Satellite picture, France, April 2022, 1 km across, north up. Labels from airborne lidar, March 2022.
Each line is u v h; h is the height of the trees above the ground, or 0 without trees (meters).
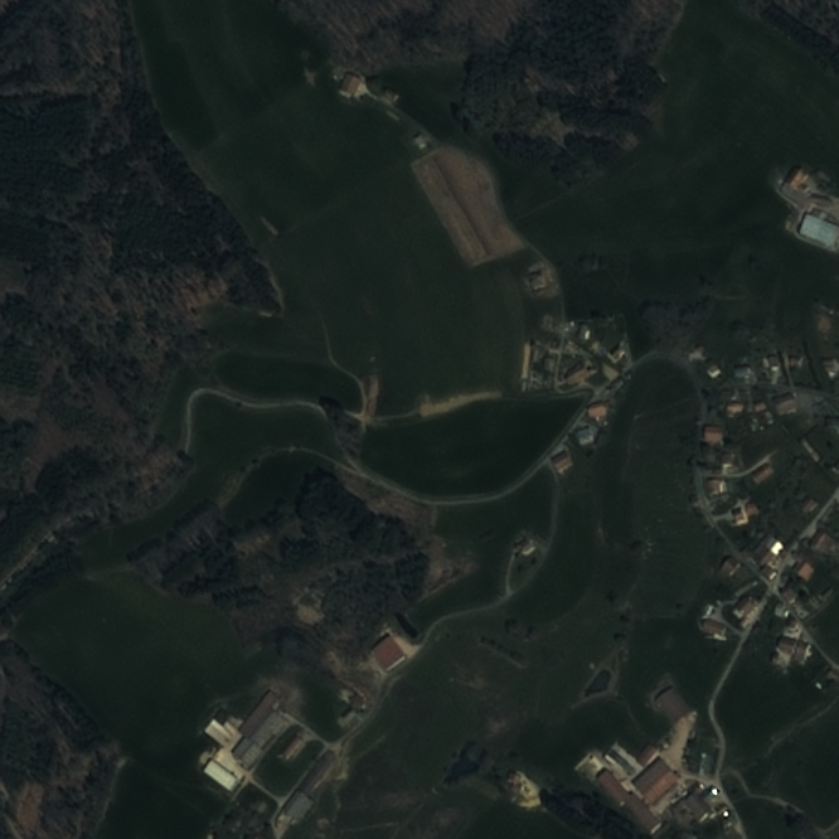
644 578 0
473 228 0
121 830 0
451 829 0
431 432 0
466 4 33
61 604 0
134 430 12
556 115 19
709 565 0
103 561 0
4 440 21
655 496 0
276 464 0
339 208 0
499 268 0
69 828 28
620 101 14
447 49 24
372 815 0
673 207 0
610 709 0
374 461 0
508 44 24
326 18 31
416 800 0
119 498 24
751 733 0
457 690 0
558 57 28
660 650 0
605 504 0
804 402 0
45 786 18
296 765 0
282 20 0
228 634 0
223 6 0
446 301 0
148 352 10
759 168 0
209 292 25
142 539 0
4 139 26
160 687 0
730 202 0
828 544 0
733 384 0
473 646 0
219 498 0
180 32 0
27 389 7
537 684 0
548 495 0
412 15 19
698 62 0
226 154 0
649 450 0
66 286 30
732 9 0
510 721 0
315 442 0
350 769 0
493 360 0
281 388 0
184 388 0
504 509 0
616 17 26
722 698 0
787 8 19
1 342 26
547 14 25
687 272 0
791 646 0
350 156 0
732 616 0
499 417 0
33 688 12
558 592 0
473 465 0
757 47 0
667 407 0
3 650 9
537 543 0
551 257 0
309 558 29
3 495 10
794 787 0
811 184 0
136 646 0
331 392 0
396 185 0
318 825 0
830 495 0
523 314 0
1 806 14
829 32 13
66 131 25
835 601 0
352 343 0
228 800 0
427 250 0
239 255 29
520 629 16
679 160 0
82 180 19
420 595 22
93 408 8
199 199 17
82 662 0
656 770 0
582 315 0
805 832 28
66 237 24
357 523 23
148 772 0
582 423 0
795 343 0
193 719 0
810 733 0
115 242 23
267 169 0
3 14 0
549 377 0
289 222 0
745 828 0
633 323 0
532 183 0
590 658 0
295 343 0
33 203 25
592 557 0
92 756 19
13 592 12
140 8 0
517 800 0
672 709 0
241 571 29
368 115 0
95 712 0
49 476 19
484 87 16
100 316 15
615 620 0
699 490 0
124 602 0
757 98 0
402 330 0
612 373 0
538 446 0
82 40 28
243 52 0
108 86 11
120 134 8
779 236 0
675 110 0
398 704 0
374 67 30
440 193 0
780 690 0
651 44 26
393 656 0
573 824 28
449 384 0
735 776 0
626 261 0
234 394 0
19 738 9
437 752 0
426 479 0
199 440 0
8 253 9
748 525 0
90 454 13
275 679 0
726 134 0
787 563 0
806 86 0
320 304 0
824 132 0
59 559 17
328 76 0
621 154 27
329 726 0
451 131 0
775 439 0
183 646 0
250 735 0
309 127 0
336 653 0
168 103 0
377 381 0
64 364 6
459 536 0
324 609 9
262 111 0
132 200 10
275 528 18
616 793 0
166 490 24
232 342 0
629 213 0
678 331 18
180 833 0
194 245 16
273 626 0
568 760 0
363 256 0
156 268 8
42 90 24
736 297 0
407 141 0
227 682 0
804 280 0
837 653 0
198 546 26
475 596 0
